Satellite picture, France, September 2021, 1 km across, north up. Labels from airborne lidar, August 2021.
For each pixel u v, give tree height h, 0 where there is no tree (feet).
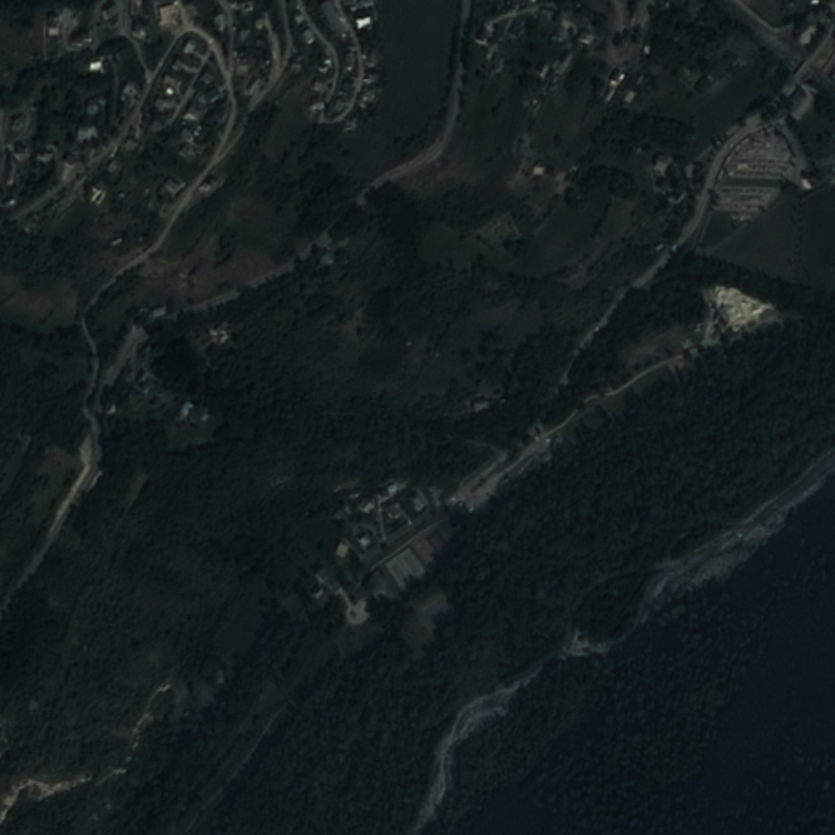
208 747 99
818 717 36
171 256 0
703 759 58
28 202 21
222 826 34
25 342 73
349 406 26
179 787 81
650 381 0
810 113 0
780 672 44
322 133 22
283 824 62
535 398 77
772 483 37
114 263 18
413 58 0
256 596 0
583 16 45
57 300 0
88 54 27
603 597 25
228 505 51
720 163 0
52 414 72
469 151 0
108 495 31
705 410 58
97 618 38
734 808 46
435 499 0
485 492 0
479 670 41
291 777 45
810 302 71
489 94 0
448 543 0
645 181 0
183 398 27
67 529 20
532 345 56
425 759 24
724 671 60
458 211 30
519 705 33
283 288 55
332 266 35
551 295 41
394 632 59
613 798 77
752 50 0
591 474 99
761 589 45
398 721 25
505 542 42
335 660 28
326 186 24
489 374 31
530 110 0
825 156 0
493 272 37
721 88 0
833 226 0
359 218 72
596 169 27
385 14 0
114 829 34
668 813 45
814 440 25
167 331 60
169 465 57
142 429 57
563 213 0
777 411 77
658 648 45
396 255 29
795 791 52
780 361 60
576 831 39
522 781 28
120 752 21
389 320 45
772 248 0
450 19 0
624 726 46
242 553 38
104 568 45
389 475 53
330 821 34
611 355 46
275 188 23
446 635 79
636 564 79
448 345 0
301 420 61
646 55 22
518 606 50
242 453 36
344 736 62
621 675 49
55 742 56
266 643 33
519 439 49
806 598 44
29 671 41
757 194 0
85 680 27
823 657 22
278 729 0
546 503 55
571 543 73
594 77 0
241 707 72
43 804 36
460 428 58
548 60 0
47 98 36
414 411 35
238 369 47
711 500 22
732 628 60
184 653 37
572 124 0
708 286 70
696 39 43
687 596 20
